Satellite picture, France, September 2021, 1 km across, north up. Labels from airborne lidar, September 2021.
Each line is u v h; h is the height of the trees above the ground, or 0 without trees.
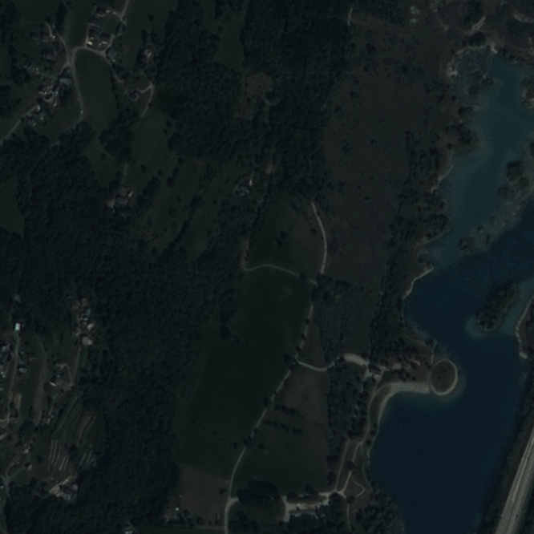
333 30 8
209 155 11
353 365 0
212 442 0
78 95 0
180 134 25
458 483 0
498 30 0
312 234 10
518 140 0
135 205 0
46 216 8
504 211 0
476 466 0
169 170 0
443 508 0
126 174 0
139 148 0
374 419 0
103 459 0
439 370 0
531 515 13
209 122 28
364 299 0
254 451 0
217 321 0
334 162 0
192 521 10
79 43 0
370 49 12
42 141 13
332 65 13
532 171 0
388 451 0
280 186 24
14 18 33
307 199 30
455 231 0
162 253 0
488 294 0
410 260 0
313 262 0
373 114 0
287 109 31
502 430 0
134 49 0
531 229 0
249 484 0
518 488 0
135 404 37
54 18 0
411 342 0
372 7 16
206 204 9
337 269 0
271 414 0
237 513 0
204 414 0
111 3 11
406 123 0
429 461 0
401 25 11
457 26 0
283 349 0
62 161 15
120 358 21
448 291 0
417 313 0
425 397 0
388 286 6
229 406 0
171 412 22
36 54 0
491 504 22
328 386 0
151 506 15
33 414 11
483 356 0
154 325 36
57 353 0
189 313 36
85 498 18
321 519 20
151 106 7
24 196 22
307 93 31
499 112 0
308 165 15
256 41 25
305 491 0
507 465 17
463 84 0
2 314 25
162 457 31
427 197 7
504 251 0
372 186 0
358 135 0
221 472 0
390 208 0
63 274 15
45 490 15
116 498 31
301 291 0
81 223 22
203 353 0
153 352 27
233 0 23
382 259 0
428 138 0
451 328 0
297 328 0
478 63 0
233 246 9
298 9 27
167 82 22
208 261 23
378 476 0
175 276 28
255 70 19
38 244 24
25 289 24
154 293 33
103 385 20
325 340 6
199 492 0
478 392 0
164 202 0
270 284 0
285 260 0
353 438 11
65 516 22
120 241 24
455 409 0
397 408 0
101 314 18
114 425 23
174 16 0
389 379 0
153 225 16
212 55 24
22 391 0
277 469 0
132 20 0
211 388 0
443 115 0
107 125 0
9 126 0
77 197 23
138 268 27
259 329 0
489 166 0
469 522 0
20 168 26
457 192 0
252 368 0
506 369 0
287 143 32
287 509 0
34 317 19
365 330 0
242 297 0
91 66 0
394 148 0
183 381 30
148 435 22
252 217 21
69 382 0
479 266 0
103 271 8
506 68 0
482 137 0
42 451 0
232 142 12
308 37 28
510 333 0
